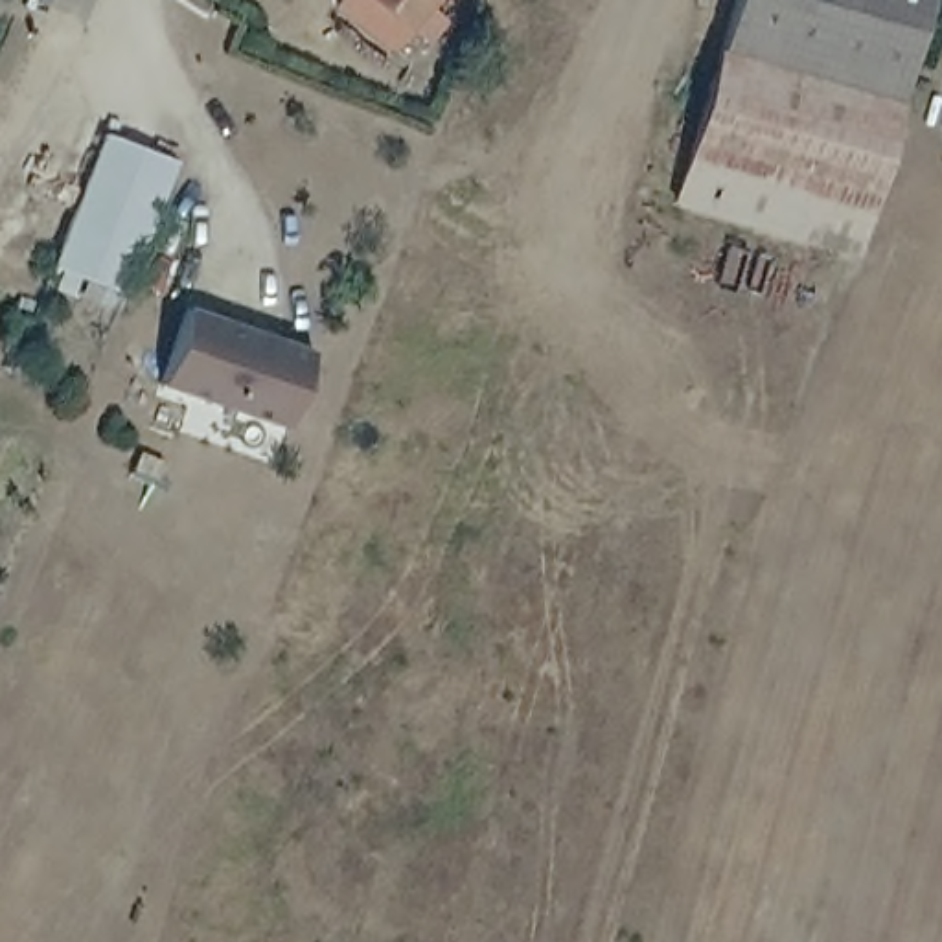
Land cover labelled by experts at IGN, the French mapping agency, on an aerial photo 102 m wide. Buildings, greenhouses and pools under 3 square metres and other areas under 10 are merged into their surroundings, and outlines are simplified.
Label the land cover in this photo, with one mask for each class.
<instances>
[{"label":"herbaceous vegetation","instance_id":"1","mask_svg":"<svg viewBox=\"0 0 942 942\"><path fill-rule=\"evenodd\" d=\"M493 7V18L500 26L508 81L493 92H449L431 129L335 99L305 81H291L243 55H228L236 26L228 22V15L206 7L202 0H158L166 37L180 59L188 85L206 103V114L217 125V136L224 140L232 162L254 188L261 213L276 224V265L283 272V298L272 309V316L291 320L298 331H305L313 350L320 353V379L302 419L283 427V442L276 445L272 460L239 456L236 449H221L206 438L184 434L188 408L158 397V386L166 383L173 379L180 324L188 309H195V298L202 291L195 228L210 224L213 206L202 199L199 180H180L169 199L173 206H180L184 236H173L166 243V269L140 298L121 294L114 309L85 302L81 294L70 298V316L52 331V339L63 361L77 364L88 379V405L81 416L59 419L48 408L44 390L33 386L22 368L4 364L0 353V438H29L37 445V464H48L52 478L70 482L66 515H77L92 541H107L114 556L144 570L155 581V589L191 592L195 600L188 626H195L206 637L217 626L239 629L243 651L236 659H217L221 684L232 695V707L213 725L210 758L202 769L217 791L210 798L206 817L184 828V843L177 854V887L158 942H688L695 898H707L721 887L725 865L710 857V850L740 758V736H729L725 758L710 751V740L732 673V648L721 637L729 592L740 578L762 574V556L743 552L751 541V526L765 504L758 489L707 482L688 486L684 471L673 460H651V442L622 431L615 405L603 401L600 390L585 379L578 353L563 346H545L534 320L523 313L519 294L497 283L493 254L523 247L519 232L489 224L471 213V202L497 206L508 195H519L526 158L534 155L541 132V118L556 103V85L578 48L585 18L600 7V0H486ZM357 210H379L386 217L383 243L368 261L375 272V287L361 305H346V327L331 331L316 320L320 283L327 280L320 261L350 247L346 228L353 224ZM110 405H118L125 419L136 427L140 449L125 453L99 438V416ZM276 40L305 48L324 63L375 77L394 92H423L431 85L438 48L416 37L408 44H397L394 52L383 48L342 15L346 0H258ZM732 37L710 22L692 70L684 66L677 77L655 81L651 125L644 136L640 166H633L626 188L622 280L626 287L644 294L640 305L651 320L673 324L692 335V346L699 350V361L710 379V390L699 401V408L729 423L776 434L791 431L806 416L813 394L832 386L828 357L835 350L854 294L843 291L828 302H817L813 283L817 272L835 258L824 247L765 239L718 217L688 213L681 206V188L688 180L703 129L710 121L721 59ZM909 114L927 125L942 121V59L938 66H920L916 88L909 96ZM37 243L33 236H15L0 250V302L15 294L18 309H33L40 287L59 291V269H40L37 276L29 272V254Z\"/></svg>","mask_w":942,"mask_h":942},{"label":"agricultural land","instance_id":"2","mask_svg":"<svg viewBox=\"0 0 942 942\"><path fill-rule=\"evenodd\" d=\"M48 11L37 0H0V121L11 110V88L18 81L11 66L26 63L29 48L37 44V26ZM902 166L894 173L887 206L868 239V258H835L817 272L813 283L817 302H828L843 291L854 294L835 350L828 357L832 386L813 394L806 416L791 431L776 434V464L758 489L765 504L751 526V541L743 552L762 556V574L740 578L729 592L721 637L732 648V673L710 740V751L725 758L729 736H740V758L710 850V857L725 865L721 887L707 898H695L688 942H942V121L927 125L909 114L902 132ZM70 482L52 478L48 464H37V445L29 438H0V942H158L177 887V854L184 843V828L206 817L210 798L217 791L202 769L210 758L213 725L232 707V695L221 684L217 659L206 651V637L195 626H188L195 600L191 592L155 589V581L144 570L114 556L107 541H92L77 515H66Z\"/></svg>","mask_w":942,"mask_h":942},{"label":"pervious surface","instance_id":"3","mask_svg":"<svg viewBox=\"0 0 942 942\"><path fill-rule=\"evenodd\" d=\"M18 81L11 88V110L0 121V250L15 236H33L37 243L48 236L66 243L107 140H129L173 158L180 180H199L202 199L213 206L210 224L195 228L202 291L195 298V309H213L250 327H265L280 339H294L298 331L291 320L272 316V309L283 298V272L276 265V224L261 213L254 188L232 162L224 140L217 136V125L206 114V103L188 85L180 59L166 37L158 0H77L74 11H48L37 26V44L29 48L26 63L11 66ZM743 0H600V7L585 18L578 48L556 85V103L541 118V132L534 155L526 158L519 195H508L497 206L471 202V213L489 224L519 232L523 247L493 254L497 283L519 294L523 313L534 320L545 346H563L578 353L585 379L600 390L603 401L615 405L622 431L651 442V460H673L684 471L688 486L707 482L758 489L776 464V434L729 423L699 408V401L710 390V379L699 361V350L692 346V335L673 324L651 320L640 305L644 294L626 287L622 280L626 188L633 166H640L644 136L651 125L655 81L677 77L684 66L692 70L710 22L732 37Z\"/></svg>","mask_w":942,"mask_h":942},{"label":"building","instance_id":"4","mask_svg":"<svg viewBox=\"0 0 942 942\"><path fill-rule=\"evenodd\" d=\"M48 11H74L77 0H37ZM342 15L383 48L394 52L397 44H408L416 37L438 48L449 33L453 0H346ZM942 59V0H743L732 37L721 59L710 121L703 129L688 180L681 188V206L688 213L718 217L765 239L824 247L835 258H868V239L887 206L894 173L902 166V132L909 114V96L916 88L920 66H938ZM180 180L173 158L129 140H107L66 243L59 269V291L70 298L81 294L85 302L114 309L121 294L140 298L166 269V254L151 250L144 239L155 236V202L169 199ZM320 379V353L313 350L305 331H298L294 339H280L265 327H250L213 309H188L180 324L173 379L166 383L221 408L254 412L283 427L302 419Z\"/></svg>","mask_w":942,"mask_h":942},{"label":"deciduous trees","instance_id":"5","mask_svg":"<svg viewBox=\"0 0 942 942\"><path fill-rule=\"evenodd\" d=\"M508 81L500 26L493 18L482 33V44H464V66L445 74L442 92H493ZM173 236H184L180 206H173L169 199L155 202V236L144 239L151 250L166 254V243ZM386 217L379 210H357L353 224L346 228L350 247L320 261L327 280L320 283L316 320L331 331L346 327V305H361L375 287V272L368 261L383 243ZM66 243L48 236L37 243L29 254V272L37 276L40 269H59ZM70 316V298L59 291L40 287L33 309H18L15 294L0 302V353L4 364L22 368L33 386L44 390L48 408L59 419L81 416L88 405V379L77 364L63 361L52 339V331ZM99 438L125 453L140 449L136 427L125 419L118 405H110L99 416ZM206 651L217 659H236L243 651L239 629L217 626L206 637Z\"/></svg>","mask_w":942,"mask_h":942},{"label":"brushwood","instance_id":"6","mask_svg":"<svg viewBox=\"0 0 942 942\"><path fill-rule=\"evenodd\" d=\"M206 7L228 15V22L236 26L228 55H243L291 81H305L335 99L431 129L449 92H442L445 74L464 66V44H482V33L493 18V7L486 0H453L449 33L438 48L431 85L423 92H394L375 77L324 63L305 48L276 40L258 0H202Z\"/></svg>","mask_w":942,"mask_h":942},{"label":"impervious surface","instance_id":"7","mask_svg":"<svg viewBox=\"0 0 942 942\"><path fill-rule=\"evenodd\" d=\"M158 397L188 408L184 434L206 438L221 449H236L239 456L272 460L276 445L283 442V427L254 412L221 408L166 383L158 386Z\"/></svg>","mask_w":942,"mask_h":942}]
</instances>
